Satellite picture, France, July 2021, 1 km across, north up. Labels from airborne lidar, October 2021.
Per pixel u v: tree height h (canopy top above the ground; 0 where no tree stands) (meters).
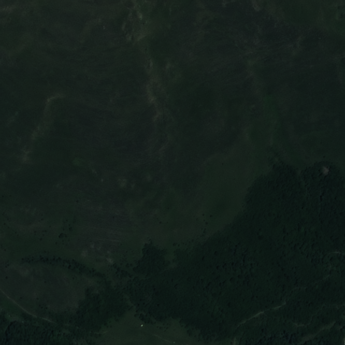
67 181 0
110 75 0
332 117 0
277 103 0
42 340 23
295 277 8
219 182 0
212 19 0
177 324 0
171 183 0
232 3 0
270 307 9
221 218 0
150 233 0
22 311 0
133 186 0
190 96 0
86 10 0
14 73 0
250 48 0
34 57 0
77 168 0
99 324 12
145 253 10
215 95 0
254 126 0
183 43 0
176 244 6
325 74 0
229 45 0
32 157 0
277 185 12
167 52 0
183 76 0
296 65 0
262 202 7
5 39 0
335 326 8
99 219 0
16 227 0
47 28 0
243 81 0
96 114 0
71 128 0
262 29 0
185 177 0
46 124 0
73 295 0
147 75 0
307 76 0
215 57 0
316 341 14
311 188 12
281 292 9
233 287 8
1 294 0
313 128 0
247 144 0
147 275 7
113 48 0
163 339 0
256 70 0
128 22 0
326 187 15
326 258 23
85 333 8
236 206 0
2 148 0
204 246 8
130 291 8
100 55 0
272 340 25
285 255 17
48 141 0
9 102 0
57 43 0
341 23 0
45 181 0
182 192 0
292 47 0
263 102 0
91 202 0
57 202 0
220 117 0
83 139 0
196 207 0
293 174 11
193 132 0
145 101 0
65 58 0
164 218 0
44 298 0
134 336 0
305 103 0
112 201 0
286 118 0
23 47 0
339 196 9
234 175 0
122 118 0
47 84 0
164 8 0
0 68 0
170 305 10
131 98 0
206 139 0
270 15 0
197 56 0
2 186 0
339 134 0
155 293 7
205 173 0
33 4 0
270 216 12
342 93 0
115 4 0
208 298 19
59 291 0
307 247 23
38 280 0
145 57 0
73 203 0
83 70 0
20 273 0
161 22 0
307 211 11
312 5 0
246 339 7
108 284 10
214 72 0
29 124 0
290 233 14
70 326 6
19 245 0
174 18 0
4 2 0
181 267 8
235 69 0
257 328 9
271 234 7
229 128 0
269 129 0
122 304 11
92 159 0
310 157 0
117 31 0
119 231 0
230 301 12
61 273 0
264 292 7
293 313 8
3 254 0
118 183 0
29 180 0
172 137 0
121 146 0
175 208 0
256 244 11
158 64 0
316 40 0
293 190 12
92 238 0
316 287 17
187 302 9
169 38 0
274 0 0
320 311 8
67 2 0
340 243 6
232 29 0
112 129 0
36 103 0
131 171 0
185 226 0
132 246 0
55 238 0
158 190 0
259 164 0
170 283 7
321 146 0
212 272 8
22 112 0
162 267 6
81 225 0
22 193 0
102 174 0
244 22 0
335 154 0
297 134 0
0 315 10
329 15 0
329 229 8
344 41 0
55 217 0
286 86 0
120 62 0
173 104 0
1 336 10
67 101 0
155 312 9
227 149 0
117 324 0
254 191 7
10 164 0
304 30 0
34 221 0
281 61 0
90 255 0
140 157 0
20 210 0
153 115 0
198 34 0
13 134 0
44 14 0
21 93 0
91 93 0
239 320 11
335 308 7
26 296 0
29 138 0
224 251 10
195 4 0
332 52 0
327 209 7
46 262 10
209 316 8
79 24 0
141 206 0
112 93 0
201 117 0
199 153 0
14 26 0
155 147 0
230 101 0
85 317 16
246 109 0
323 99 0
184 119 0
